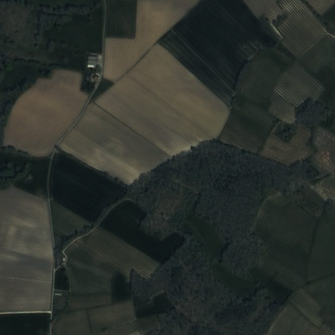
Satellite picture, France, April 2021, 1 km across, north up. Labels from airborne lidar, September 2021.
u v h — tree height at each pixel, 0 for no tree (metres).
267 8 0
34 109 0
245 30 0
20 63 14
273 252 0
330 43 0
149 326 0
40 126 0
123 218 0
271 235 0
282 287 0
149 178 13
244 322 19
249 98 0
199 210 23
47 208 0
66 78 0
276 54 0
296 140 0
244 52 0
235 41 0
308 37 0
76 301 0
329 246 0
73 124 0
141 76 0
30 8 17
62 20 22
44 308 0
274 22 12
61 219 0
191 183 21
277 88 0
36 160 0
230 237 22
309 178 22
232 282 0
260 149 0
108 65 0
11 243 0
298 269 0
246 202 21
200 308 18
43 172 0
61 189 0
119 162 0
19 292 0
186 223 0
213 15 0
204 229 0
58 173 0
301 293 0
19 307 0
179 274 22
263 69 0
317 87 0
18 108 0
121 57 0
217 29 0
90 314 0
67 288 0
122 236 0
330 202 15
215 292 18
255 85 0
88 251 0
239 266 24
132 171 0
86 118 0
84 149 0
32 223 0
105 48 0
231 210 20
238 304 20
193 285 17
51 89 0
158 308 0
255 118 0
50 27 20
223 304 19
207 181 22
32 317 0
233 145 0
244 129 0
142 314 0
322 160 0
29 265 0
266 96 0
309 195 0
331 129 12
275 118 0
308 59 0
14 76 0
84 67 0
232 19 0
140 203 19
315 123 22
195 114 0
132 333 0
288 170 21
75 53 0
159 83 0
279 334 0
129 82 0
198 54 0
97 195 0
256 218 9
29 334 0
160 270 15
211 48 0
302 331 0
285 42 0
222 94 0
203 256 19
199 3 0
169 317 17
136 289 15
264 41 0
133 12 0
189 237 16
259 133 0
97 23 0
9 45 16
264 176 21
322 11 0
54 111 0
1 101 0
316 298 0
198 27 0
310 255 0
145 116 0
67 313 0
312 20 0
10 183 16
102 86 0
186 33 0
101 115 0
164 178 13
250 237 20
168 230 18
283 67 0
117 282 0
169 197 17
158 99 0
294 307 0
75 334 0
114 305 0
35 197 0
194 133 0
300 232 0
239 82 15
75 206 0
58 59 0
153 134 0
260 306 17
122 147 0
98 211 0
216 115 0
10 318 0
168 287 16
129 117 0
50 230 0
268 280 0
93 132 0
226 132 0
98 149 0
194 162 14
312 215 0
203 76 0
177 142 0
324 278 0
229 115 0
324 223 0
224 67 0
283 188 19
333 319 0
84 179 0
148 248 0
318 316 0
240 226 20
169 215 17
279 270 0
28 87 17
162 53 0
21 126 0
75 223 0
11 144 0
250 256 23
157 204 18
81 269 0
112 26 0
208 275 18
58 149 13
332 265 0
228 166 23
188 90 0
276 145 0
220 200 20
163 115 0
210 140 0
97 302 0
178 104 0
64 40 0
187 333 18
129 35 0
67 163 0
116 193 0
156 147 0
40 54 0
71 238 14
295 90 0
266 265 0
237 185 20
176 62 0
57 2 0
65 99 0
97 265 0
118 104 0
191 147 0
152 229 19
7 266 0
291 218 0
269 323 15
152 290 17
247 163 23
